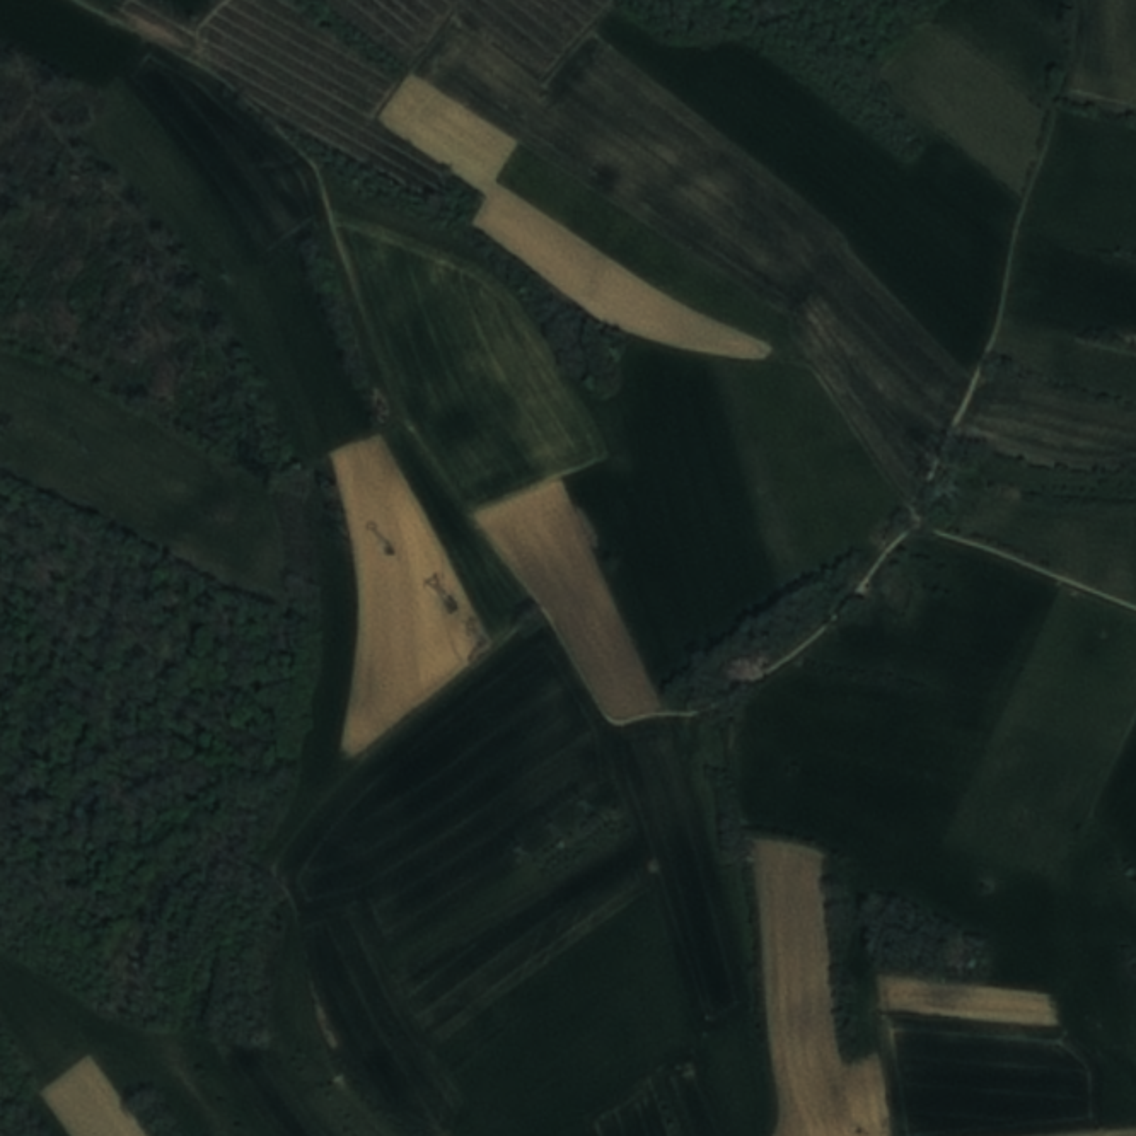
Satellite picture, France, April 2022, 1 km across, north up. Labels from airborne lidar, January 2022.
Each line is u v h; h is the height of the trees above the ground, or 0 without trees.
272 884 22
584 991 0
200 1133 0
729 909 0
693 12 21
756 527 0
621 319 0
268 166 0
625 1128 0
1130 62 0
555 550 0
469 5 0
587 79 0
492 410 0
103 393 13
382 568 0
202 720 23
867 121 8
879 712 0
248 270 0
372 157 0
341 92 0
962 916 0
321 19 12
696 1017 0
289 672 25
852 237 0
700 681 17
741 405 0
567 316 18
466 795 0
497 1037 0
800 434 0
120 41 0
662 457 0
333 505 13
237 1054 0
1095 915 0
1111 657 0
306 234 0
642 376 0
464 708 0
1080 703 0
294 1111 0
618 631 0
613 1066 0
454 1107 0
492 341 0
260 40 0
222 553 0
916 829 0
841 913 17
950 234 0
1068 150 0
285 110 0
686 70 0
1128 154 0
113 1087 0
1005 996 0
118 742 10
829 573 11
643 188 0
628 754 0
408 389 0
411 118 0
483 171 0
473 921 0
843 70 17
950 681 0
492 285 0
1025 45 0
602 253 0
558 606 0
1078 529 0
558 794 0
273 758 19
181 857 30
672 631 0
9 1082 15
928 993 0
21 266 7
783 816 0
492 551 0
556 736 0
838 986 9
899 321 0
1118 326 0
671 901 0
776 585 0
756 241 0
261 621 18
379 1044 0
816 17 19
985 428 0
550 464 0
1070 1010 0
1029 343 0
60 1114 0
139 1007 18
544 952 0
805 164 0
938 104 0
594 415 0
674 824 0
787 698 0
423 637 0
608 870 0
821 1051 0
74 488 0
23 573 25
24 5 0
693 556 0
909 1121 0
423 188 0
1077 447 0
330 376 0
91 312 6
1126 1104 0
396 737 0
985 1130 0
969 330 0
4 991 0
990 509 0
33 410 0
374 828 0
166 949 22
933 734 0
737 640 15
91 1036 0
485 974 0
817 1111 0
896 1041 0
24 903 21
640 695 0
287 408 0
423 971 0
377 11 0
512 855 0
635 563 0
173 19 0
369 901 0
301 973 0
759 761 0
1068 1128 0
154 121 0
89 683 24
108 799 20
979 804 0
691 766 0
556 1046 0
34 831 26
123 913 28
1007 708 0
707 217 0
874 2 23
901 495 0
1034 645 0
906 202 0
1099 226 0
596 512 0
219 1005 12
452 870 0
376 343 0
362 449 0
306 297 0
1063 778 0
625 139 0
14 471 0
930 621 0
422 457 0
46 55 0
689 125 0
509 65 0
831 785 0
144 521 0
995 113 0
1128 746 0
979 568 0
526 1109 0
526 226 0
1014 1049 0
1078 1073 0
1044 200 0
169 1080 0
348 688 0
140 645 25
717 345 0
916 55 0
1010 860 0
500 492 0
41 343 7
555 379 0
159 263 14
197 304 30
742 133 0
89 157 24
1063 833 0
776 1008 0
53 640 22
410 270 0
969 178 0
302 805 0
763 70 0
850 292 0
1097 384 0
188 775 22
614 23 0
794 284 0
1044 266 0
